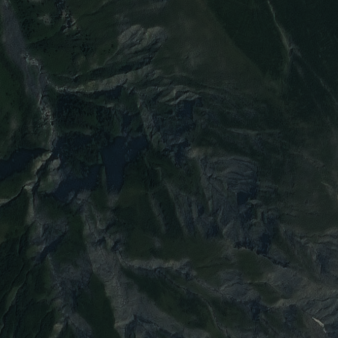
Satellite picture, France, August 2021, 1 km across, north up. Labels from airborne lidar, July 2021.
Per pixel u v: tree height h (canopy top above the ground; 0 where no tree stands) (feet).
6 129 0
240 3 0
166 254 0
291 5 0
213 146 0
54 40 0
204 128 0
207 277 0
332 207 0
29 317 0
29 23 20
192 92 0
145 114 0
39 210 0
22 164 27
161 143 0
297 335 0
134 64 0
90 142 25
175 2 0
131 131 0
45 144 0
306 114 0
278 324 0
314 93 0
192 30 0
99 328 0
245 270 0
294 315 0
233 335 0
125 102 0
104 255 0
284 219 0
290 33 0
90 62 0
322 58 0
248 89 0
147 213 0
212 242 0
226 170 0
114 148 0
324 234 0
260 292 0
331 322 0
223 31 0
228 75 0
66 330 0
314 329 0
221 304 0
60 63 0
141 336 0
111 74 0
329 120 0
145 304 0
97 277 0
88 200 0
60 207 0
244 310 0
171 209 0
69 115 26
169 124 0
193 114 0
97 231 0
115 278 0
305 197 0
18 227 0
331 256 0
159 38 0
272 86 0
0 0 0
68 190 0
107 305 0
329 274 0
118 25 0
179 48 0
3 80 0
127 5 0
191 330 0
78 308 0
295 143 0
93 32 0
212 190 0
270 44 0
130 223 0
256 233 0
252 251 0
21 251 18
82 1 0
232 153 0
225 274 0
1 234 0
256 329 0
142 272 0
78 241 0
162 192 0
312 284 0
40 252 0
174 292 0
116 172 0
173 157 0
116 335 0
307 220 0
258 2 0
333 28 0
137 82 0
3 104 0
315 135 0
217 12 0
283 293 0
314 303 0
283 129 0
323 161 0
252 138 0
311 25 0
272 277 0
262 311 0
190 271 0
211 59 0
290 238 0
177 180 0
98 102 0
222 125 0
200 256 0
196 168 0
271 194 0
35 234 0
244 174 0
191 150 0
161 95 0
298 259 0
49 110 0
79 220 0
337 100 0
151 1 0
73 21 0
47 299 0
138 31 0
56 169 0
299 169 0
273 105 0
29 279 0
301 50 0
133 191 0
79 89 0
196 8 0
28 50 0
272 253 0
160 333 0
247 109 0
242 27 0
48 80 0
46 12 0
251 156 0
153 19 0
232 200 0
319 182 0
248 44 0
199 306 0
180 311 0
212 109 0
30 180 0
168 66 0
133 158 0
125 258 0
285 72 0
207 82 0
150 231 0
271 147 0
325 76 0
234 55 0
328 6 0
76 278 0
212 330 0
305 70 0
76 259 0
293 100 0
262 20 0
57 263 0
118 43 0
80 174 0
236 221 0
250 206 0
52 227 0
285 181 0
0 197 0
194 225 0
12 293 0
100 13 0
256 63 0
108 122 27
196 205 0
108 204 0
